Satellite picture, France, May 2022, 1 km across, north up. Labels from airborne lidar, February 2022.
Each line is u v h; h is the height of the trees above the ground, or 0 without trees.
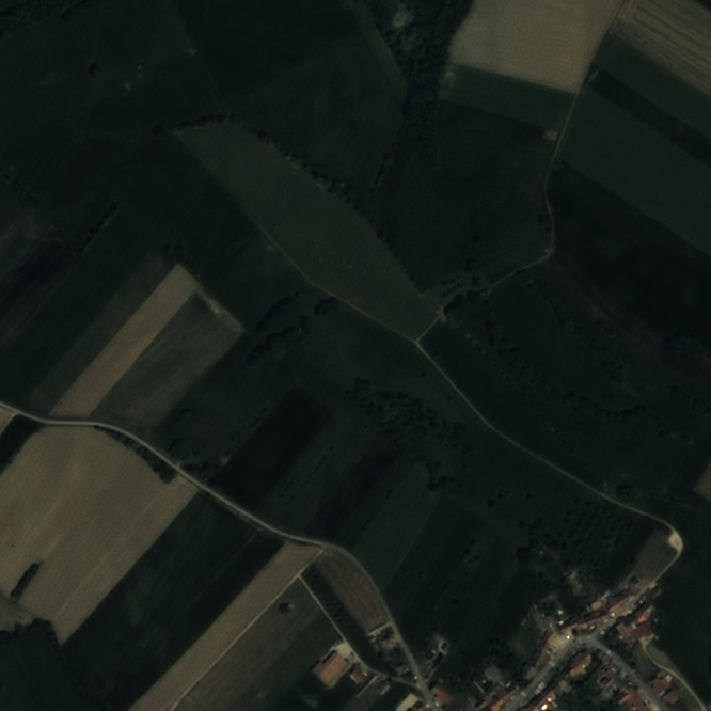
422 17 9
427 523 0
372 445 0
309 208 0
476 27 0
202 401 0
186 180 0
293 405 0
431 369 0
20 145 0
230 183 0
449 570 0
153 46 0
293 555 0
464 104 0
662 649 0
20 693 0
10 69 0
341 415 0
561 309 9
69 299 0
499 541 0
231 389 0
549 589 8
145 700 0
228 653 0
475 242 14
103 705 0
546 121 0
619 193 0
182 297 0
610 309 0
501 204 0
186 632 0
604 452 0
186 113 0
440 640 0
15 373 0
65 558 0
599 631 0
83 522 0
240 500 0
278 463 0
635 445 0
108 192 0
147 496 0
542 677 0
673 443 0
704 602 0
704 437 0
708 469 0
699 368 0
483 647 0
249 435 0
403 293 0
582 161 0
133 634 0
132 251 0
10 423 0
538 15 0
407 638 0
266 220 0
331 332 0
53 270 0
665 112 0
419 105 15
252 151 0
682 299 0
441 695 0
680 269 0
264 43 0
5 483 0
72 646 0
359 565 0
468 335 7
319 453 0
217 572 0
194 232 0
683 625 0
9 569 0
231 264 0
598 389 0
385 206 0
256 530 0
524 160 0
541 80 0
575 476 0
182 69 0
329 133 0
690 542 0
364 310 0
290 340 14
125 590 0
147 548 0
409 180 0
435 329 0
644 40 0
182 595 0
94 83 0
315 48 0
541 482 0
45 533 0
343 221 0
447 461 0
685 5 0
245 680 0
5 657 0
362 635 0
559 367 0
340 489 0
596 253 0
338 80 0
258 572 0
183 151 0
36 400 0
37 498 0
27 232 0
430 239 0
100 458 0
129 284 0
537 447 0
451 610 0
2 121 0
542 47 0
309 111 0
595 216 0
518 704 0
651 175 0
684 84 0
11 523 0
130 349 0
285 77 0
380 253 0
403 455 0
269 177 0
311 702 0
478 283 9
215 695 0
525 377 16
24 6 8
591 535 7
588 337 9
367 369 0
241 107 0
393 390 0
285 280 0
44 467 0
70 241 0
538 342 0
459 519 0
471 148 0
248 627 0
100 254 0
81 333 0
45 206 0
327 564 0
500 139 0
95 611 0
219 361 0
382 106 0
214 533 0
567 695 9
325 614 0
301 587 0
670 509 0
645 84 0
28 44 0
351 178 0
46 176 0
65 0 13
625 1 0
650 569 0
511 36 0
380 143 0
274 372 0
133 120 0
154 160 0
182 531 0
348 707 0
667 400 0
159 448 0
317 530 0
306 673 0
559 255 0
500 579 0
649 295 0
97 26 0
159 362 0
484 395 0
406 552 0
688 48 0
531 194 0
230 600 0
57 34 0
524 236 0
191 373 0
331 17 0
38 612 0
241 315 0
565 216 0
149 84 0
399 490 0
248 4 0
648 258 0
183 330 0
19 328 0
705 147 0
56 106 0
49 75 0
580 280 0
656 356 0
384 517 0
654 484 0
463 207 0
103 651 0
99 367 0
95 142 0
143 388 0
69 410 0
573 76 0
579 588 0
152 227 0
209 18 0
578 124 0
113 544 0
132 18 0
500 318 0
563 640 0
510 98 0
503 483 0
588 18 0
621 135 0
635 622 0
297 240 0
